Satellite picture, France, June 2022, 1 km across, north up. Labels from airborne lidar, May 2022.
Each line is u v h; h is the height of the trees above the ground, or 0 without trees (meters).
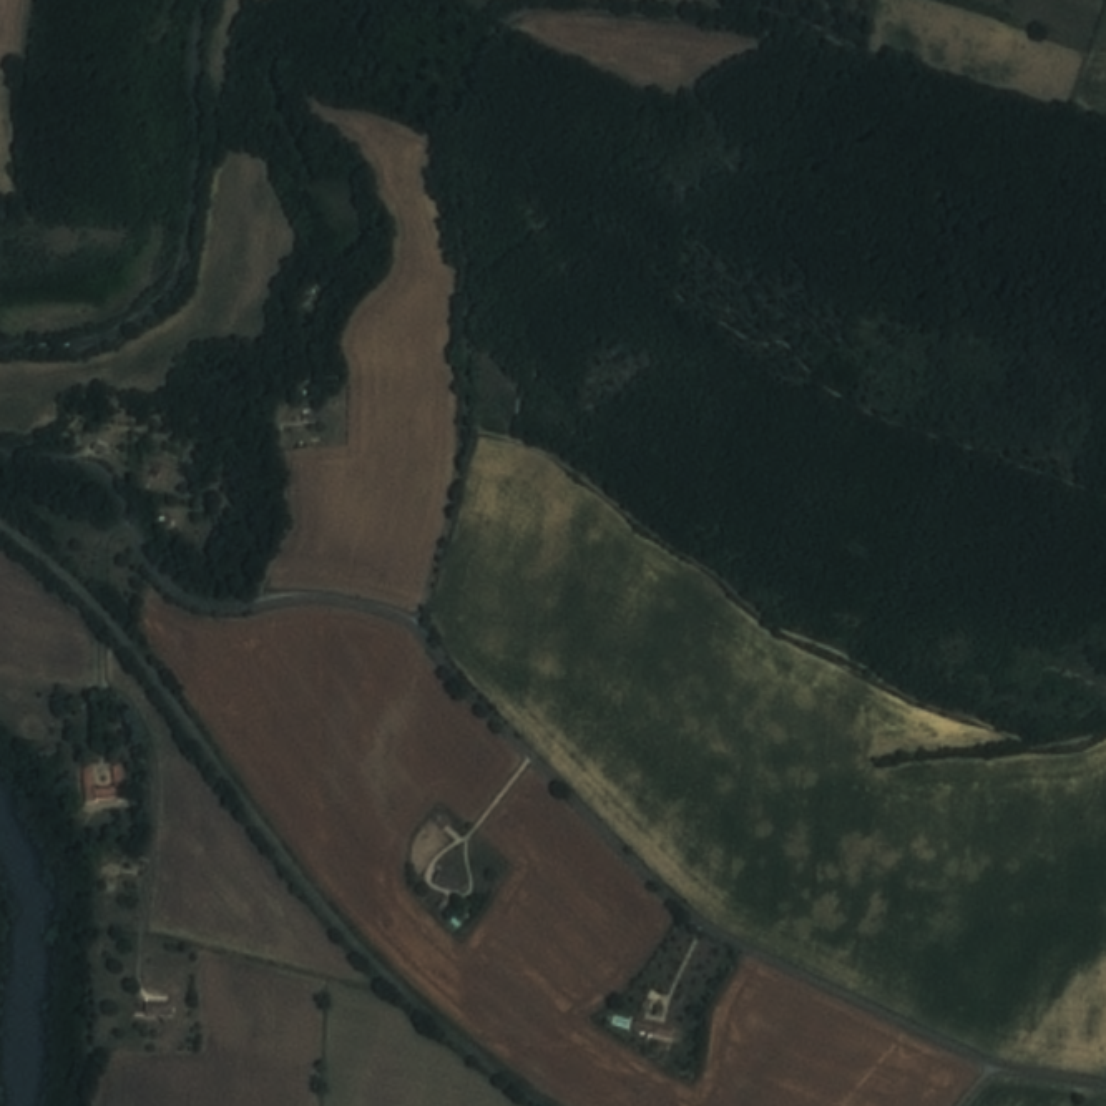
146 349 0
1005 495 17
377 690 0
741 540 14
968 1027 0
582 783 0
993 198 27
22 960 0
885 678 11
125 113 14
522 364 12
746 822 0
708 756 0
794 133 19
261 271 0
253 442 15
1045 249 25
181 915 0
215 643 0
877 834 0
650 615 0
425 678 0
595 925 0
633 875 0
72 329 9
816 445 13
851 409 12
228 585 19
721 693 0
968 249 21
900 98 25
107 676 0
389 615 0
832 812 0
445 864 0
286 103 21
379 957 0
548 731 0
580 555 0
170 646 0
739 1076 0
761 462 10
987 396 10
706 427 12
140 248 9
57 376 0
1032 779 0
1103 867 0
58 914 24
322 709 0
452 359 16
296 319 14
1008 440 7
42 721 0
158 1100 0
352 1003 0
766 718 0
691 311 14
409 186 0
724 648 0
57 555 6
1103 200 26
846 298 20
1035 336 14
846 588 10
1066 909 0
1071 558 14
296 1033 0
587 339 13
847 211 26
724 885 0
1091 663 13
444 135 18
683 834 0
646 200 18
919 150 25
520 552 0
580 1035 0
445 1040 11
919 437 10
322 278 18
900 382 11
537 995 0
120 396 10
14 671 0
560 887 0
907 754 10
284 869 9
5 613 0
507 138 19
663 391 13
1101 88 0
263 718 0
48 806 25
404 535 0
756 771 0
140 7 16
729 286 13
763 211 22
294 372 23
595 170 17
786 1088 0
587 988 0
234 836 0
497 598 0
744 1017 0
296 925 0
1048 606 15
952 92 25
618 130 16
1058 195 27
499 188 13
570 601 0
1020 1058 0
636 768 0
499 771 0
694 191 17
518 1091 14
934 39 0
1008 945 0
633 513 9
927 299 23
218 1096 0
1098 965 0
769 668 0
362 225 6
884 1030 0
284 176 19
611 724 0
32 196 15
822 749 0
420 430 0
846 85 22
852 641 6
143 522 13
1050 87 0
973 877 0
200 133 16
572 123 17
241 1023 0
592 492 0
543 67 16
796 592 12
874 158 26
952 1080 0
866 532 10
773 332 18
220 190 0
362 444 0
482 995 0
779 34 15
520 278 15
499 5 16
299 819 0
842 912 0
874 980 0
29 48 10
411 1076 0
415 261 0
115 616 14
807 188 24
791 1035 0
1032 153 27
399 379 0
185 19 11
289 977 0
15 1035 0
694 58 0
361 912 0
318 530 0
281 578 0
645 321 15
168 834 0
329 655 0
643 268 19
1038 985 0
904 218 25
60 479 20
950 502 15
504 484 0
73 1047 10
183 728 6
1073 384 10
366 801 0
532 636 0
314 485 0
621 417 10
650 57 0
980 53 0
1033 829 0
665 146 9
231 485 24
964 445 12
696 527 7
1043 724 12
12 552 13
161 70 6
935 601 13
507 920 0
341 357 7
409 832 0
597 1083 0
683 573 0
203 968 0
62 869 28
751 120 16
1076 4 0
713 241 14
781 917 0
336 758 0
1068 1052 0
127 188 13
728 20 14
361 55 21
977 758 10
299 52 21
